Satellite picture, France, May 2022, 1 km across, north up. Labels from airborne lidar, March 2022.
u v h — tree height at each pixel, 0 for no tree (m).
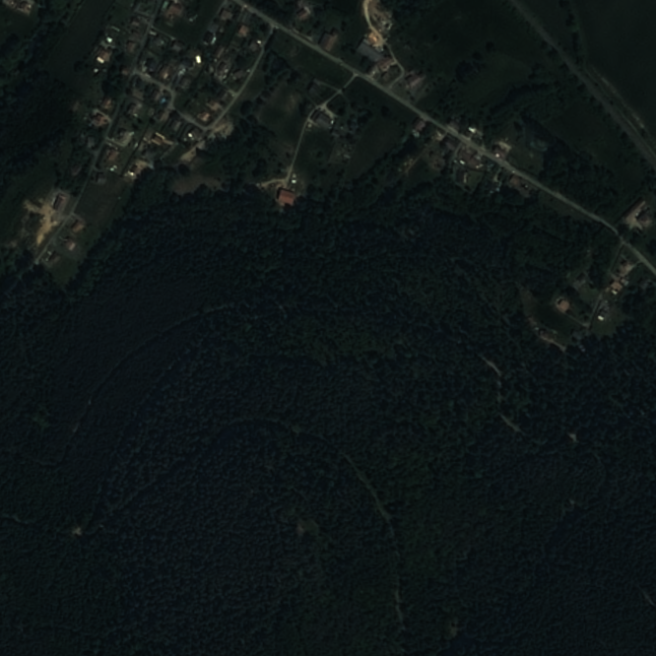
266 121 0
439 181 11
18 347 21
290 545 25
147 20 0
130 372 11
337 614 13
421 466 9
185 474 30
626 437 13
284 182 0
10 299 26
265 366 26
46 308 27
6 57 23
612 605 25
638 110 0
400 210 15
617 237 17
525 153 0
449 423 16
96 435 11
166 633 28
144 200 20
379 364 29
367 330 7
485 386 18
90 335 12
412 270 12
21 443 21
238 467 23
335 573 18
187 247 24
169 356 14
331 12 7
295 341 6
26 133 15
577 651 23
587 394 30
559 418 28
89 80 0
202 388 28
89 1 0
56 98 11
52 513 18
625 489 27
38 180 0
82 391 15
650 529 31
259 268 23
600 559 28
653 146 0
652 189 14
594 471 26
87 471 14
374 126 0
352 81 0
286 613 21
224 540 28
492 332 12
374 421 26
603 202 9
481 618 35
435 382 11
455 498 18
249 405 25
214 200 20
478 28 0
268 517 24
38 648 15
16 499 18
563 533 35
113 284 20
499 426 30
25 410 13
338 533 27
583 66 8
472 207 11
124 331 12
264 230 23
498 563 26
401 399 9
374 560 30
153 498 30
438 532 9
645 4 0
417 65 0
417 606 17
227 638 28
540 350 18
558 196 0
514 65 0
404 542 15
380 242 24
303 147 0
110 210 0
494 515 21
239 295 16
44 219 0
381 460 13
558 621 25
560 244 12
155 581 32
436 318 10
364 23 0
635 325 15
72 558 19
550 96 16
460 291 9
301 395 24
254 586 21
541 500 17
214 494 22
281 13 15
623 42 0
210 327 12
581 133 0
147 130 0
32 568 23
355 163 0
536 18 0
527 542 29
